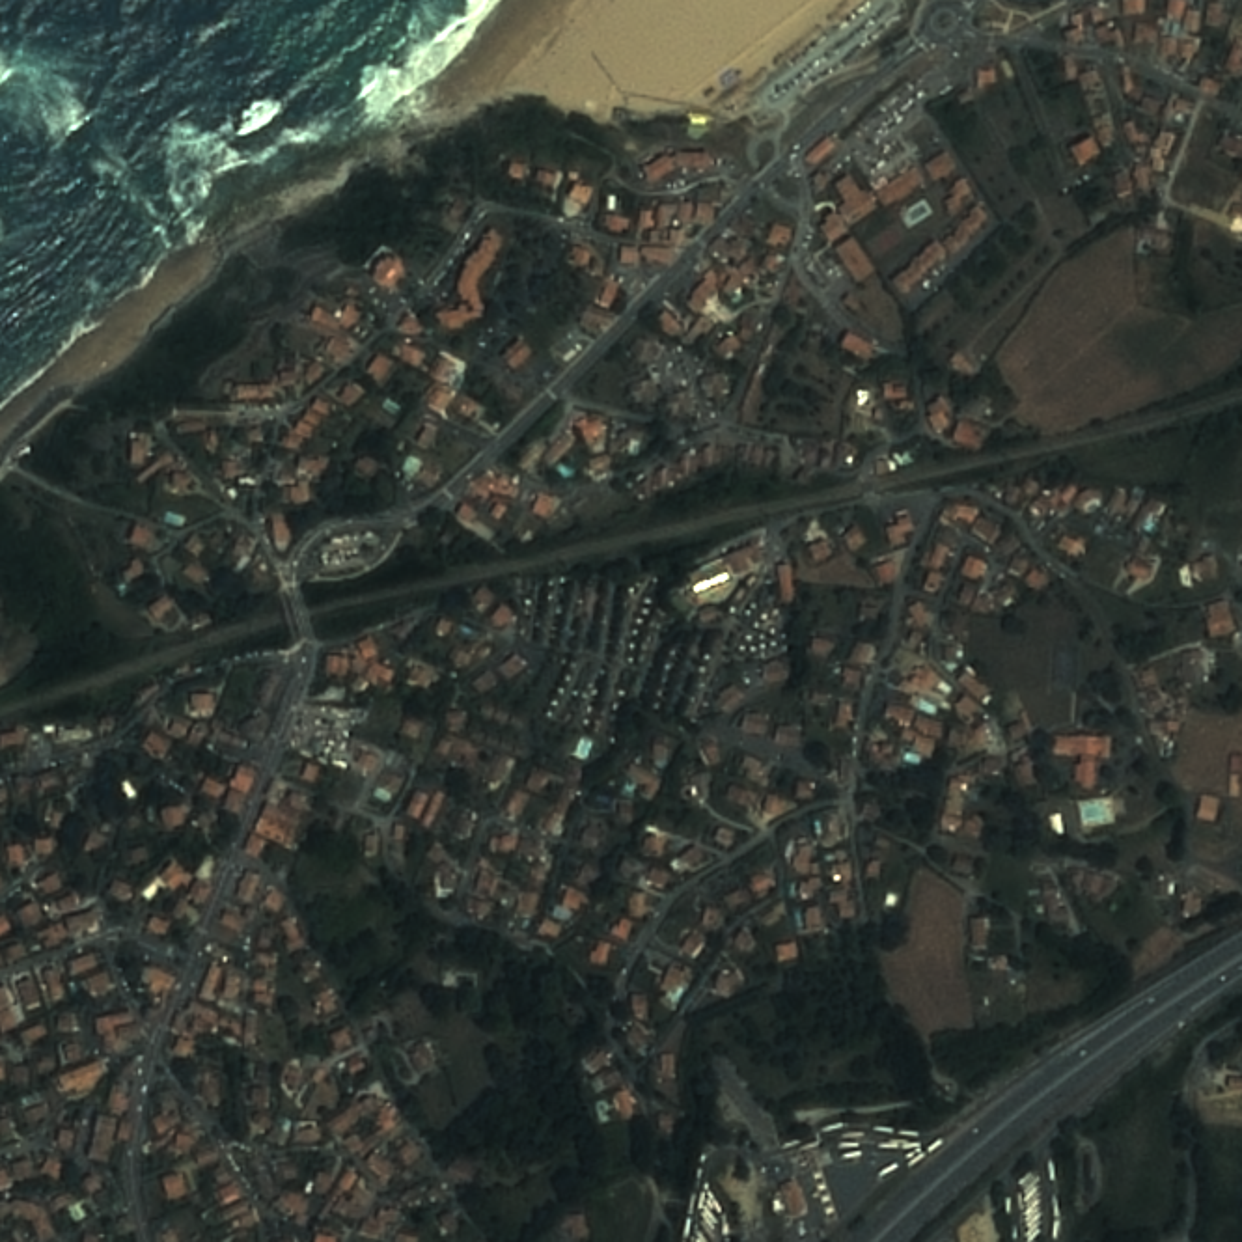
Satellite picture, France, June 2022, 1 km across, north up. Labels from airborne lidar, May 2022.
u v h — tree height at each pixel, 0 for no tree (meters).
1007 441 7
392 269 0
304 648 0
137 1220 0
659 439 8
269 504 12
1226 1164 0
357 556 0
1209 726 0
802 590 7
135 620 0
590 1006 24
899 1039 15
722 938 8
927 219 0
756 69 0
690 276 0
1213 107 0
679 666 10
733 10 0
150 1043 0
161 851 5
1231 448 0
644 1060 8
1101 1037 0
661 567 24
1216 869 0
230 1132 10
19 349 0
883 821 6
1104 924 0
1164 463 0
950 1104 6
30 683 6
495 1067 12
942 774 19
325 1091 0
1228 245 0
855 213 0
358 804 0
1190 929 11
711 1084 12
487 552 9
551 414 7
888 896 0
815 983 7
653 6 0
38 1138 0
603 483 0
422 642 12
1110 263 0
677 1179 15
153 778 6
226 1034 10
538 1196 0
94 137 0
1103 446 0
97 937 0
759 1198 0
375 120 0
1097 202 6
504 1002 23
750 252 9
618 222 0
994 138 0
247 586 14
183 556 11
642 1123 17
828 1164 0
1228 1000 7
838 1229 0
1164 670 0
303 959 7
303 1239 6
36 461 6
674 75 0
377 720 0
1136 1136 0
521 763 10
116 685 0
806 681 13
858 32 0
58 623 14
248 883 0
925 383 12
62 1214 6
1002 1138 0
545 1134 6
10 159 0
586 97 0
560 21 0
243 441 10
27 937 11
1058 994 0
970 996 0
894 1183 0
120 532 0
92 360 0
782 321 15
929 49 0
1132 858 0
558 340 0
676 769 5
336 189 0
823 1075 8
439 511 12
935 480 0
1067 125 0
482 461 0
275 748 0
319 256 0
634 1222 0
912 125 0
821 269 0
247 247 0
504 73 0
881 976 7
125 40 0
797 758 0
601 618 10
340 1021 5
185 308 0
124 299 0
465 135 0
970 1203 0
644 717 13
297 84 0
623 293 6
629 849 8
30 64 0
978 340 0
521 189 6
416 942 7
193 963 0
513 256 12
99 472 5
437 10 0
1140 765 10
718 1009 9
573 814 7
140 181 0
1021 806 19
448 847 6
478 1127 21
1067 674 0
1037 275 0
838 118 0
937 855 13
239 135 0
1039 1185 0
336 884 0
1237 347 0
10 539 6
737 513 0
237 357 0
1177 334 0
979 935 0
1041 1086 0
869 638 12
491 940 14
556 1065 26
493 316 20
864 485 0
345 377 7
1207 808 0
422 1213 10
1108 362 0
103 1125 0
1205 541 0
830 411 0
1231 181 0
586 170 0
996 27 0
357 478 8
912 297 0
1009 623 10
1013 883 0
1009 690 0
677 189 0
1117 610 0
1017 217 6
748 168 0
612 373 0
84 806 10
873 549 0
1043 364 0
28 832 18
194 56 0
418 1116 23
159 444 6
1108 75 0
